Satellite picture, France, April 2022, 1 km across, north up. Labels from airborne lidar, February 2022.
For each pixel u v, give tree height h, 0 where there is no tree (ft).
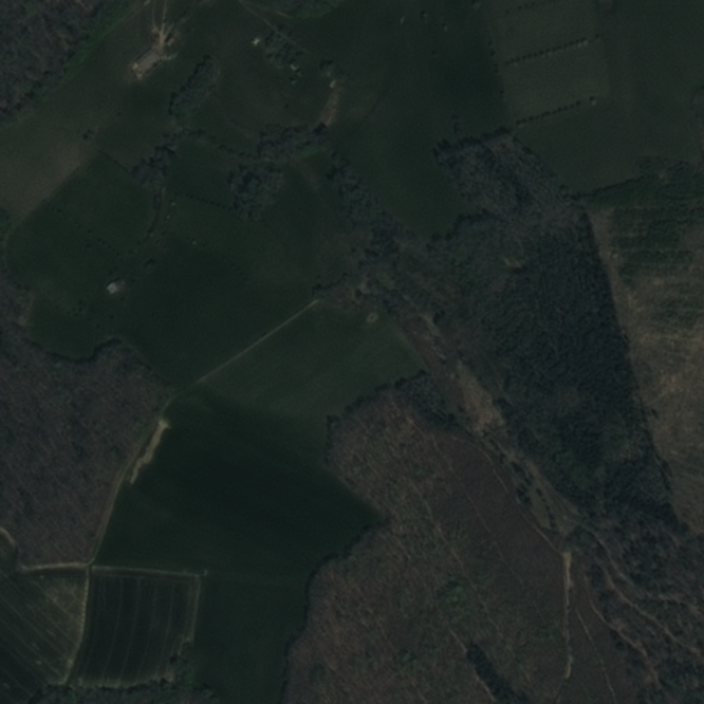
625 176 0
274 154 70
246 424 0
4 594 0
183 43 0
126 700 79
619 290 0
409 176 0
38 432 74
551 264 72
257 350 0
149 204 0
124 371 72
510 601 41
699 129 0
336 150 22
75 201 0
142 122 0
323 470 0
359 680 59
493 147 77
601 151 0
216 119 0
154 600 0
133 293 0
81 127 0
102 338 0
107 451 65
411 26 0
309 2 76
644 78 0
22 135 0
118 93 0
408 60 0
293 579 0
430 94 0
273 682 0
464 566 56
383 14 0
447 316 63
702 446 0
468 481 29
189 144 0
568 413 76
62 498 83
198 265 0
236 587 0
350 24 0
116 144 0
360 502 0
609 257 0
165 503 0
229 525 0
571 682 35
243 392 0
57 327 0
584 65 0
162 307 0
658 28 0
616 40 0
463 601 70
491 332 58
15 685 0
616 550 86
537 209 106
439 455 37
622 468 52
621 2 0
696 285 0
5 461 80
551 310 63
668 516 62
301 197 0
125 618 0
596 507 57
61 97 0
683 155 0
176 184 0
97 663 0
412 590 58
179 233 0
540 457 65
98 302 0
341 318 0
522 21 0
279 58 29
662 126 0
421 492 65
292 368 0
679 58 0
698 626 76
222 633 0
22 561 53
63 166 0
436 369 0
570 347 74
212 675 0
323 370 0
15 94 97
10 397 74
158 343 0
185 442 0
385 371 0
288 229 0
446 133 0
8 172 0
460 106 0
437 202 0
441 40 0
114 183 0
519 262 82
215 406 0
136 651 0
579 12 0
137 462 0
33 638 0
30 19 89
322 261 0
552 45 0
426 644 51
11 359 74
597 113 0
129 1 82
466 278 75
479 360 0
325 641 0
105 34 59
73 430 68
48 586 0
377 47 0
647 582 74
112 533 0
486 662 84
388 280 0
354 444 82
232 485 0
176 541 0
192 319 0
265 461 0
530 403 87
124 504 0
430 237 0
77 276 0
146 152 0
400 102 0
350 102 0
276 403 0
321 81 0
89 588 0
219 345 0
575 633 39
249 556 0
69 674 0
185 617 0
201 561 0
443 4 0
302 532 0
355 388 0
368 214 75
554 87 0
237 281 0
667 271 0
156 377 51
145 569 0
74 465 75
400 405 52
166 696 80
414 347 0
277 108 0
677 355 0
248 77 0
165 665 0
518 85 0
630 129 0
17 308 80
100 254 0
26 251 0
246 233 0
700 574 90
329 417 0
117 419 70
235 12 0
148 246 0
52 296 0
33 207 0
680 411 0
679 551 90
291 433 0
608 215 0
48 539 75
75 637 0
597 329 80
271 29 0
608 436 83
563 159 0
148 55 0
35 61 93
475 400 0
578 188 0
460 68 0
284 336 0
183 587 0
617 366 85
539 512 0
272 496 0
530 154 50
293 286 0
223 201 0
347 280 22
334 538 0
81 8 86
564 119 0
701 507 0
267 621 0
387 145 0
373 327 0
